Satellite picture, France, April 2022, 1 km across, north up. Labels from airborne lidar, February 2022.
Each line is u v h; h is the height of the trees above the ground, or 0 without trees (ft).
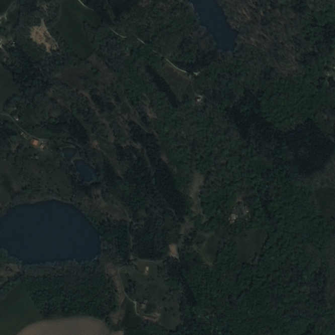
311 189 92
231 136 91
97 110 0
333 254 77
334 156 71
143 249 35
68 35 0
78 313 29
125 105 0
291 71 93
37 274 82
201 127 82
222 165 109
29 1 68
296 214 75
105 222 0
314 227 66
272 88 70
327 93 56
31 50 68
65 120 56
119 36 24
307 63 96
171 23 26
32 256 0
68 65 82
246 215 0
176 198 69
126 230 56
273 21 56
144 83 27
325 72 0
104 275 35
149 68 51
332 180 95
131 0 66
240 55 78
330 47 87
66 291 24
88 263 62
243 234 0
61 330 0
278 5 95
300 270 89
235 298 70
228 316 26
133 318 0
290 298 71
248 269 69
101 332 0
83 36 0
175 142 71
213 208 69
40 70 53
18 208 0
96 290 55
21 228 0
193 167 77
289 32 98
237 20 83
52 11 54
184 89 0
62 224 0
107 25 66
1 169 0
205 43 64
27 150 51
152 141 73
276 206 84
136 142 65
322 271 69
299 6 62
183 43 54
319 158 75
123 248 63
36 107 51
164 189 84
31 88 49
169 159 22
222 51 63
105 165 56
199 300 51
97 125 68
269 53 83
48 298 30
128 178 41
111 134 0
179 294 79
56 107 74
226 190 68
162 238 67
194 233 69
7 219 0
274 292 85
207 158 26
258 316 60
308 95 51
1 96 0
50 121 45
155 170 55
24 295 0
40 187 31
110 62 51
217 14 0
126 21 23
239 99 73
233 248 50
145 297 0
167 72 0
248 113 56
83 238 0
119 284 0
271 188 75
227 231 24
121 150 48
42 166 36
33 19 53
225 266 63
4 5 0
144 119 39
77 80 0
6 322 0
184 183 36
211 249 0
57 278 41
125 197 61
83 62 62
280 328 69
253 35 86
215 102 90
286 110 52
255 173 83
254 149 56
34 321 0
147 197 39
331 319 81
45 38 0
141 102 67
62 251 0
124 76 73
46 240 0
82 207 61
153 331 63
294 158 53
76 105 35
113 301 39
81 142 44
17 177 0
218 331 70
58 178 0
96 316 34
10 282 52
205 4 0
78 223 0
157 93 73
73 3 0
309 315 73
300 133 69
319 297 77
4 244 0
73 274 62
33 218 0
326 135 45
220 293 55
